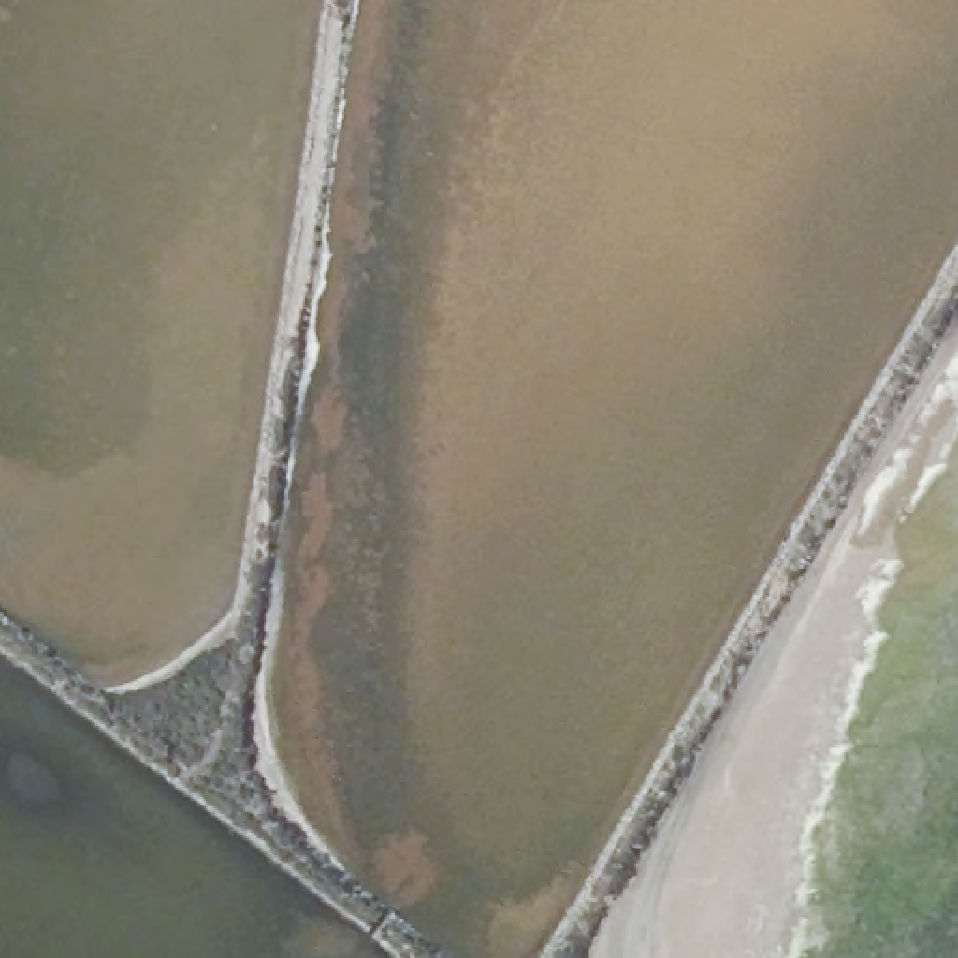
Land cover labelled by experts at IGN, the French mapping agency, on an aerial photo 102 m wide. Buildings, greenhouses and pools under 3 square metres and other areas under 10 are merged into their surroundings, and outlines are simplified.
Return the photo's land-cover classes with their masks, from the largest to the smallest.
<instances>
[{"label":"water","instance_id":"1","mask_svg":"<svg viewBox=\"0 0 958 958\"><path fill-rule=\"evenodd\" d=\"M322 0H0V602H11L19 614L49 629L64 647L97 644L109 666L90 670L94 685L109 689L112 681H127L153 670L191 640H198L232 606L243 528L251 509V479L258 460L266 374L273 356L284 262L296 217ZM344 45V123L337 135V157L333 165H326L333 168V180L322 183V202L329 206V273L318 303V333H307V356L299 370V385H307V408L292 479V539L284 573V614L277 636V662L269 677L273 745L299 808L329 846L352 872L363 876L370 894L389 891L404 902L400 917L415 924L404 943H412L419 958H539L558 921L573 906L584 876L591 872L595 853L602 849L636 786L644 782L662 737L700 689L704 670L719 655L745 602L752 599L793 516L808 501L816 479L823 475V464L838 449L879 367L887 363L891 348L898 344L917 303L932 288L943 258L958 240V0H337ZM898 573L876 610L883 644L876 651L872 674L861 685L857 715L846 730L849 748L842 756L835 793L827 801L823 820L812 831L816 868L808 902L823 917L827 943L808 947L801 958H958V442L951 449L947 472L936 475L921 505L894 531ZM0 958H389L352 921L333 913L281 868H273L251 842L232 835L225 823L202 812L195 801H187L161 775L142 767L135 756H127L120 745H112L101 730H94L49 689H41L34 677H26L0 655Z\"/></svg>","mask_w":958,"mask_h":958},{"label":"pervious surface","instance_id":"2","mask_svg":"<svg viewBox=\"0 0 958 958\"><path fill-rule=\"evenodd\" d=\"M344 45L337 0H322L296 217L284 262L273 356L266 374L258 460L251 479V509L243 528L232 606L198 640H191L153 670L127 681H112L109 689L138 692L180 674L191 659L228 640L240 617L247 614L254 565L266 558L269 472L281 427L284 370L292 359L299 307L311 318L307 333H318V303L329 273V206L322 202V183L333 180V168L326 165H333L337 157V135L344 123ZM958 284V240L943 258L932 288L917 303L898 344L891 348L887 363L879 367L838 449L823 464V475L816 479L808 501L793 516L752 599L745 602L719 655L704 670L700 689L662 737L644 782L636 786L602 849L595 853L591 872L584 876L573 906L558 921L539 958H558L569 947V936L584 924V913L591 906H606L610 917L602 921L588 958H801L808 947L827 943L823 917L808 902L816 868L812 831L823 820L827 801L835 793L842 756L849 748L846 730L857 715L861 685L872 674L876 651L883 644L876 610L898 573L894 531L921 505L936 475L947 472L951 449L958 442V329L943 341V352L932 356L924 382L913 389L909 404L894 419L891 438L876 453L872 483L849 498V509L842 513V524L831 531V539L823 543L816 531H808V524L816 516H827L823 498L838 486L835 475L864 438V430L883 427V397L891 393L902 370V359L913 352L932 314H939V307L951 299V288ZM801 546L820 550L816 573H808L797 584L790 614L771 629L767 644L752 655L733 711L722 719V726L700 752L692 778L681 786L674 808L662 816L659 835L640 861V872L632 876L625 894L614 898L606 887L610 861L625 849L644 805L659 797L674 767V748L685 745L707 719V711L719 704L715 681L730 674V659L741 651L745 636H752L760 629V617L778 602L790 561ZM284 614V573H273L269 584L266 647L254 681L258 771L273 790L277 808L303 831L314 853L329 846L299 808L273 745L269 677L277 662V636Z\"/></svg>","mask_w":958,"mask_h":958},{"label":"brushwood","instance_id":"3","mask_svg":"<svg viewBox=\"0 0 958 958\"><path fill-rule=\"evenodd\" d=\"M958 329V284L951 288V299L939 307V314H932L913 352L902 359V370L891 393L883 397V427L864 430V438L835 475L838 486L823 498L827 516H816L808 524V531H816L823 543L831 539V531L842 524V513L849 509V498L872 483L876 453L891 438L894 419L909 404L913 389L924 382L932 356L943 352V341ZM311 318L299 307L292 359L284 370L281 427L269 472L266 558L254 565L247 614L240 617L228 640L191 659L180 674L138 692L109 689L94 685L90 670L109 666L97 644L64 647L49 629L19 614L11 602H0V655L26 677H34L41 689H49L94 730H101L112 745H120L127 756H135L142 767L161 775L187 801H195L202 812L225 823L232 835L251 842L273 868H281L333 913L352 921L389 958H419L412 943H404L415 924L400 917L404 902L389 891L370 894L363 876L352 872L329 846L314 853L303 831L277 808L273 790L258 771L254 681L266 647L269 584L273 573H284L292 539V479L307 408V385H299V370L307 356V333ZM820 550L801 546L790 561L778 602L760 617V629L752 636H745L741 651L730 659V674L715 681L719 704L707 711V719L685 745L674 748V767L659 797L644 805L625 849L610 861L606 887L614 898L625 894L632 876L640 872V861L659 835L662 816L674 808L681 786L692 778L700 752L722 726V719L733 711L752 655L767 644L771 629L790 614L797 584L808 573H816ZM610 917L606 906H591L584 913V924L569 936V947L558 958H588L602 921Z\"/></svg>","mask_w":958,"mask_h":958}]
</instances>
